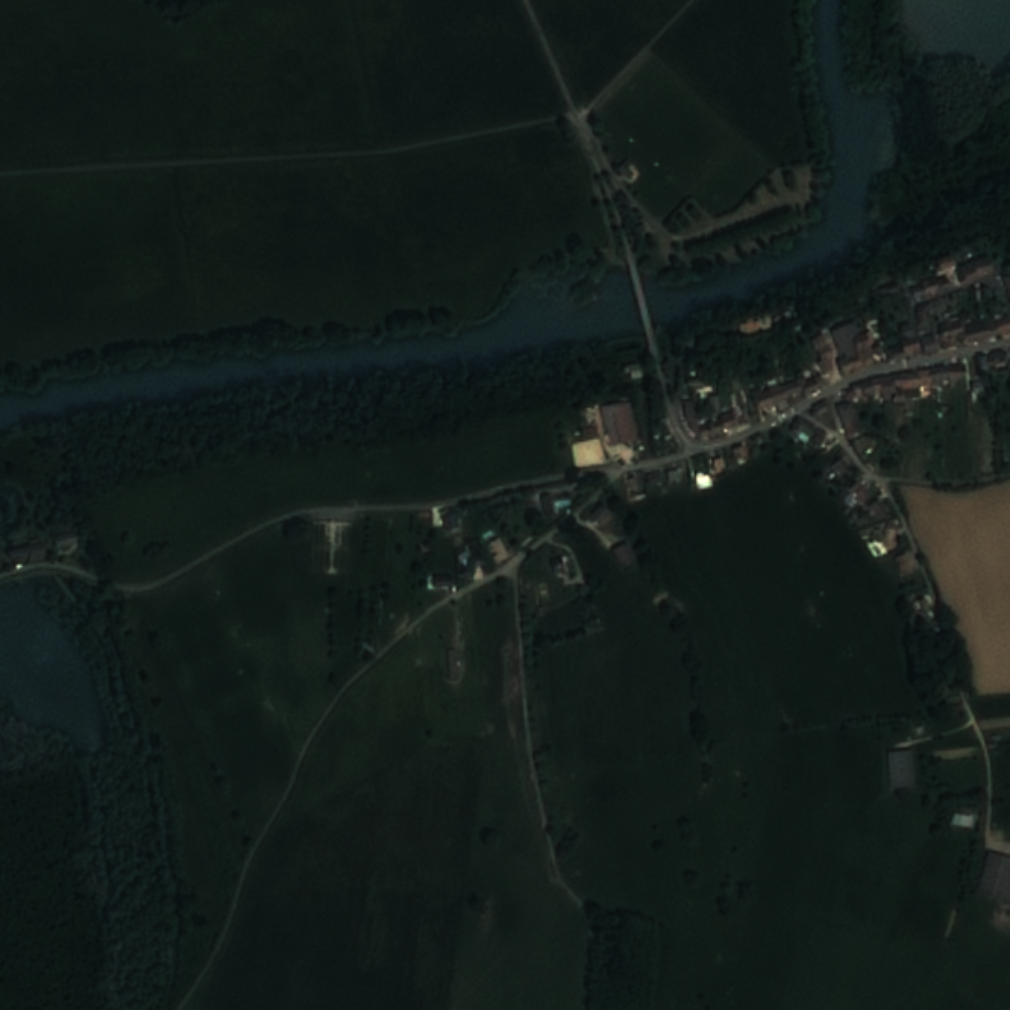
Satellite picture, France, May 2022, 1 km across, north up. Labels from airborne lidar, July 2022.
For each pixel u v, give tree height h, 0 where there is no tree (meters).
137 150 0
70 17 0
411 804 0
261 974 0
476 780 0
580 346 11
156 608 0
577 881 0
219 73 0
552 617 0
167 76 0
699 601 0
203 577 0
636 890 0
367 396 28
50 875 17
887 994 0
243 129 0
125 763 18
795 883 0
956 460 0
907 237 25
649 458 0
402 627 0
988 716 0
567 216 0
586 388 29
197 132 0
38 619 0
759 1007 0
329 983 0
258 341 24
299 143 0
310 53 0
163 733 0
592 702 0
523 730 0
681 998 0
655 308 0
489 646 0
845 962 0
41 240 0
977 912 0
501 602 10
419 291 0
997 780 0
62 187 0
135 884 20
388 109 0
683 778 0
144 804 18
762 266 0
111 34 0
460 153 0
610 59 0
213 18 0
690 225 10
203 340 18
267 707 0
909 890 0
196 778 0
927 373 0
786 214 16
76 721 0
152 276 0
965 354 0
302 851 0
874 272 16
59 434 23
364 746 0
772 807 0
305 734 0
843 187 0
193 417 30
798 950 0
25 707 0
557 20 0
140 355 21
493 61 0
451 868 0
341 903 0
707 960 0
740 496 0
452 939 0
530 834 0
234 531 0
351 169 0
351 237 0
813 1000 0
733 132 0
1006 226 25
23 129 0
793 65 10
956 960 0
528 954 0
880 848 0
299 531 20
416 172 0
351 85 0
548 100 0
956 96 25
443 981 0
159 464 19
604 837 0
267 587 0
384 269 0
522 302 0
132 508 0
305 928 0
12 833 16
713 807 0
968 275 0
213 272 0
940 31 0
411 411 31
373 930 0
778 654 0
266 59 0
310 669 0
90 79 0
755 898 17
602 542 0
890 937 0
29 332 0
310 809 0
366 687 0
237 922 0
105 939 20
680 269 19
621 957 25
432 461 0
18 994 15
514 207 0
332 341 15
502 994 0
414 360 0
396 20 0
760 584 0
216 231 0
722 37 0
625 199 12
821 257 0
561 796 0
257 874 0
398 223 0
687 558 0
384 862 0
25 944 16
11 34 0
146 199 0
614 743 0
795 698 0
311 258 0
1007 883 0
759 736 0
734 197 0
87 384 0
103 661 12
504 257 0
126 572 0
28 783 13
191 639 0
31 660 0
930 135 32
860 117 0
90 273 0
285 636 0
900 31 16
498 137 0
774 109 0
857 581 0
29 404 0
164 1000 16
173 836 16
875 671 0
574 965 0
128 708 9
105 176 0
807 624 0
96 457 22
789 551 0
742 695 0
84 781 24
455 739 0
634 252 12
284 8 0
